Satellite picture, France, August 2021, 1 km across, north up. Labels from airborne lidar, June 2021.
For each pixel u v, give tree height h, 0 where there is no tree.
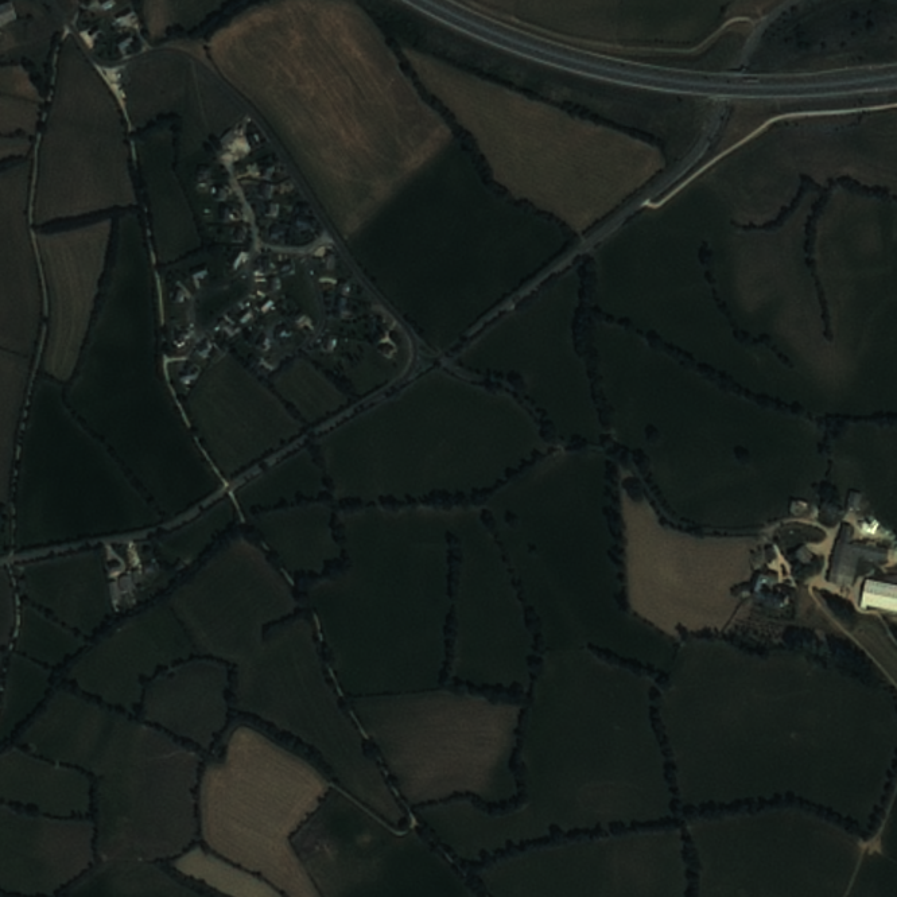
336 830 0
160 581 0
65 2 0
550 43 0
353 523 0
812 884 0
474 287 0
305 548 0
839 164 0
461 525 0
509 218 0
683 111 0
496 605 0
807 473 0
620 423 0
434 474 0
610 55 0
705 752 0
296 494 0
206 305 0
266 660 0
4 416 0
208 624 0
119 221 9
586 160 0
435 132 0
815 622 0
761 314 0
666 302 0
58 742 0
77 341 0
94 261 0
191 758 0
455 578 12
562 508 0
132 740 0
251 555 0
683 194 0
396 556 0
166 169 0
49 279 0
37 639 0
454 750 0
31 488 0
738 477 0
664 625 0
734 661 0
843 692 0
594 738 0
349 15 0
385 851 0
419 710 0
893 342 0
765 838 0
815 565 15
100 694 0
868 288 0
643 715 0
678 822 9
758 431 0
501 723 0
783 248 0
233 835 0
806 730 0
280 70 0
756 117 0
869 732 0
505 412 0
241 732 0
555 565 0
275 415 0
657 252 0
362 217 0
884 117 0
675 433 0
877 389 0
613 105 0
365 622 0
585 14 0
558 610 0
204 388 0
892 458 0
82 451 0
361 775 0
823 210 9
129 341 0
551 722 0
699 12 0
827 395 0
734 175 0
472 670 0
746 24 0
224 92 0
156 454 0
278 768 0
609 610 0
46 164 0
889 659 0
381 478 0
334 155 0
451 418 0
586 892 0
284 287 0
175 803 0
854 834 11
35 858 0
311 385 0
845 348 0
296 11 0
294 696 0
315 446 12
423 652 0
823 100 0
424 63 0
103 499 0
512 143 0
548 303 0
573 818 0
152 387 0
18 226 0
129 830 0
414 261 0
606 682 0
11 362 0
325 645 9
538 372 0
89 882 0
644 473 10
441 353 0
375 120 0
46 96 8
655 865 0
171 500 0
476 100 0
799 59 0
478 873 7
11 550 7
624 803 0
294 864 0
